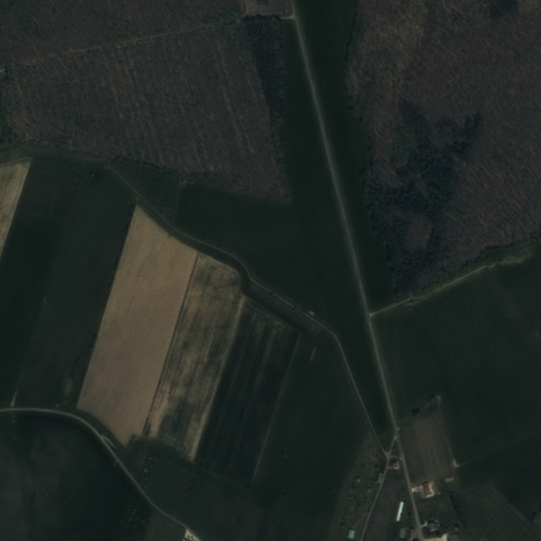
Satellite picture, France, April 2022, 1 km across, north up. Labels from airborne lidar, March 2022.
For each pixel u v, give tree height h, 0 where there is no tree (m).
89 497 0
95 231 0
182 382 0
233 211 0
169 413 0
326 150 0
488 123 22
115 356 0
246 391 0
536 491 0
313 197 0
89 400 0
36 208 0
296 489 0
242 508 0
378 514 0
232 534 0
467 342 0
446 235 21
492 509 0
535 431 0
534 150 25
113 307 0
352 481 0
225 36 16
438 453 0
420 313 0
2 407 0
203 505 0
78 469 0
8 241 0
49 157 0
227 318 0
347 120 0
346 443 0
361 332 0
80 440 0
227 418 0
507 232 25
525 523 0
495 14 20
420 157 23
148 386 0
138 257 0
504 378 0
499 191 24
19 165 0
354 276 0
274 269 0
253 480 0
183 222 0
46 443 0
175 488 0
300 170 0
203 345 0
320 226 0
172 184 14
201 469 0
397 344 0
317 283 0
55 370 0
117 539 0
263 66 19
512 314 0
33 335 0
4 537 0
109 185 0
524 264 0
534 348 0
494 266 0
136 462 0
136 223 0
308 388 0
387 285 0
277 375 0
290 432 0
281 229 0
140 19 0
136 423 0
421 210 32
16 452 0
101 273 0
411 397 0
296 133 0
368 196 16
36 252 0
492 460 0
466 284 0
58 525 0
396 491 0
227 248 0
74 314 0
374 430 0
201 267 0
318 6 0
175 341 0
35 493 0
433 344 0
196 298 0
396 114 23
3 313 0
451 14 0
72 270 0
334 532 0
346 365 0
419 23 0
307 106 0
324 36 0
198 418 0
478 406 0
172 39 13
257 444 0
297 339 0
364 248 0
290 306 0
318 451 0
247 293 0
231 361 0
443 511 0
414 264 24
